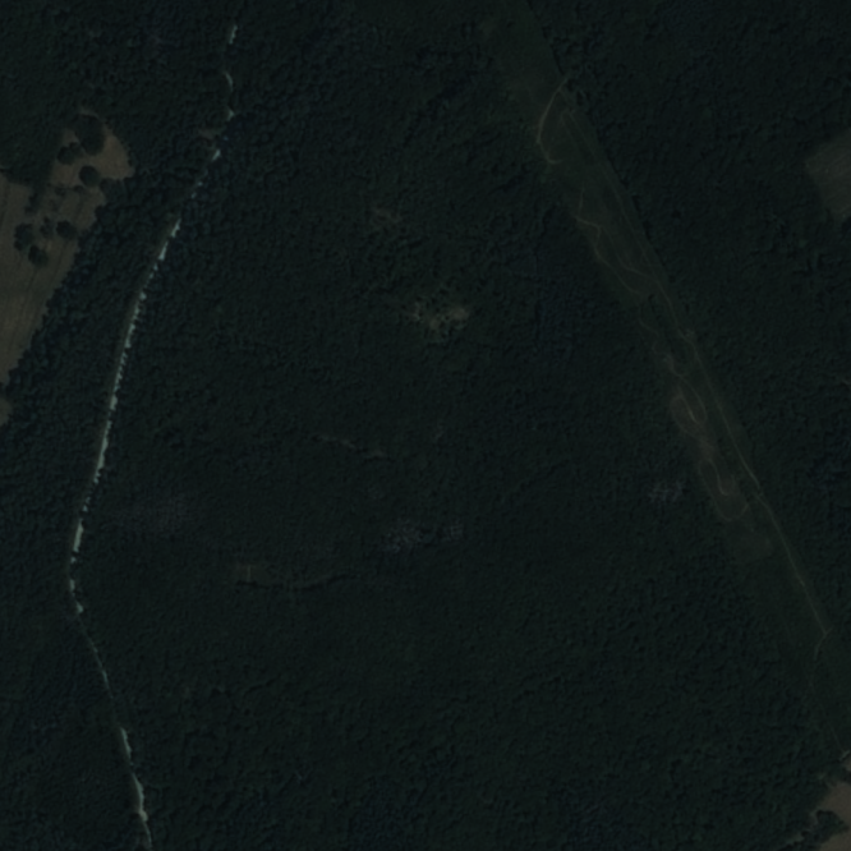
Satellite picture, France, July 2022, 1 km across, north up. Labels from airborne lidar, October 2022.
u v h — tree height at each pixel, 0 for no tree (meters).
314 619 20
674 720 17
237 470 14
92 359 14
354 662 16
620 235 0
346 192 16
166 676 16
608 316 18
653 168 25
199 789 19
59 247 0
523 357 18
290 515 12
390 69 22
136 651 18
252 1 22
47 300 0
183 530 15
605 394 15
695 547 16
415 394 17
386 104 25
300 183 20
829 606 10
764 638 18
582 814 16
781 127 21
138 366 17
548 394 21
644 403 11
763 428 21
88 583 17
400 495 19
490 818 16
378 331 15
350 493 18
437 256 17
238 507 11
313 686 19
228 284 19
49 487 23
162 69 21
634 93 23
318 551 10
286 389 15
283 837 22
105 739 8
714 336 15
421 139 16
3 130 8
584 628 16
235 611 16
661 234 23
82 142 11
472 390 18
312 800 20
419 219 12
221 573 19
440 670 18
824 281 20
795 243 20
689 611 24
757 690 21
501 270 19
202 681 16
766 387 18
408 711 24
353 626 17
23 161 12
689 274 19
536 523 21
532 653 13
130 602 19
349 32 22
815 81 22
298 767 17
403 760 19
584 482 17
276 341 12
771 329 17
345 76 25
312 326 19
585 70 15
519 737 15
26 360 10
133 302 13
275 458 15
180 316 17
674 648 18
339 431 18
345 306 9
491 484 20
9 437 18
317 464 16
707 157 26
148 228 20
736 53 17
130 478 14
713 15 16
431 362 15
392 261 13
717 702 16
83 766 7
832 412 19
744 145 23
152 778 20
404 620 16
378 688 18
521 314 8
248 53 18
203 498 16
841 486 25
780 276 23
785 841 16
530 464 14
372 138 20
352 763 21
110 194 17
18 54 11
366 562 18
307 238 15
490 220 21
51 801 8
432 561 18
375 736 27
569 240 23
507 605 14
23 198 0
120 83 24
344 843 19
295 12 25
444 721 23
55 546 19
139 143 17
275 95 13
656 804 19
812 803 19
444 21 6
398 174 13
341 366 17
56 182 0
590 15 25
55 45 9
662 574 17
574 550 19
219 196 17
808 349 15
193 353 18
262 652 19
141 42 18
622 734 21
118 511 15
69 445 19
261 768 20
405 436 15
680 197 22
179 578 19
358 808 15
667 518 15
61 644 14
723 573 24
